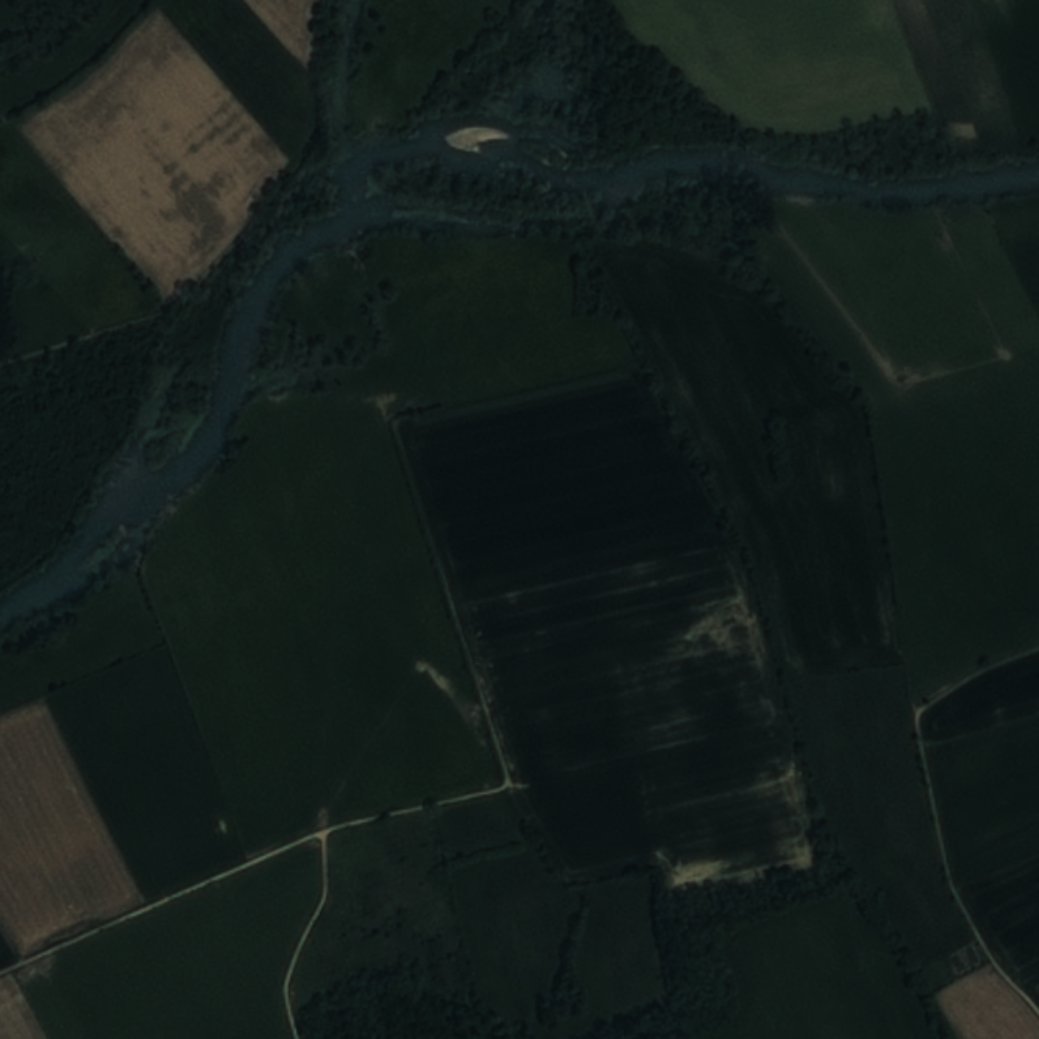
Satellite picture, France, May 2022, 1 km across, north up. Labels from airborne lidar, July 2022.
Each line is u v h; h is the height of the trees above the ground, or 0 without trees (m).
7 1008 0
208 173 0
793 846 0
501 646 0
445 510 0
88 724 0
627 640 0
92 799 0
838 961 0
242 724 0
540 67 0
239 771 0
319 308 0
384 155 0
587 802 0
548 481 0
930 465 0
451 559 0
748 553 10
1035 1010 0
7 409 7
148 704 0
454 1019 20
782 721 0
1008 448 0
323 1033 13
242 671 0
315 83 11
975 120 0
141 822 0
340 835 0
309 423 0
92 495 15
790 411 0
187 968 0
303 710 0
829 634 0
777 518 0
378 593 0
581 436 0
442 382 0
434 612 0
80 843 0
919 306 0
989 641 0
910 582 0
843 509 0
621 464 0
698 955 27
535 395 0
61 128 0
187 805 0
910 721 0
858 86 0
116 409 8
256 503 0
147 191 0
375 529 0
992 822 0
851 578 0
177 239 0
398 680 0
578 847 0
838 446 0
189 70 0
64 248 0
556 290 0
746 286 18
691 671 0
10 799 0
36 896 0
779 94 0
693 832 0
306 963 0
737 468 0
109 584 7
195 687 0
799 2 0
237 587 0
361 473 0
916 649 0
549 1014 22
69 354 10
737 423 0
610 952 0
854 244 0
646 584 0
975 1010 0
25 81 0
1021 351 0
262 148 0
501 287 0
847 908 0
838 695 0
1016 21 0
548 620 0
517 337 0
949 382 0
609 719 0
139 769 0
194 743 0
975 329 0
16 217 0
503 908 0
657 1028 24
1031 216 0
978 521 0
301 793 0
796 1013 0
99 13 19
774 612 0
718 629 0
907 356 0
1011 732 0
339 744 0
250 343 0
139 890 0
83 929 0
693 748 0
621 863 0
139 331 6
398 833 0
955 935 0
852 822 0
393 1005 25
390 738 0
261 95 0
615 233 20
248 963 0
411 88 0
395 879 0
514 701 0
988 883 0
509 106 0
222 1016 0
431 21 0
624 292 0
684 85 14
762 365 0
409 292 0
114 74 0
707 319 0
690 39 0
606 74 21
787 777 0
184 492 0
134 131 0
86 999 0
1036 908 0
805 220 0
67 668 0
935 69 0
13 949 0
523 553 0
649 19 0
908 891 0
